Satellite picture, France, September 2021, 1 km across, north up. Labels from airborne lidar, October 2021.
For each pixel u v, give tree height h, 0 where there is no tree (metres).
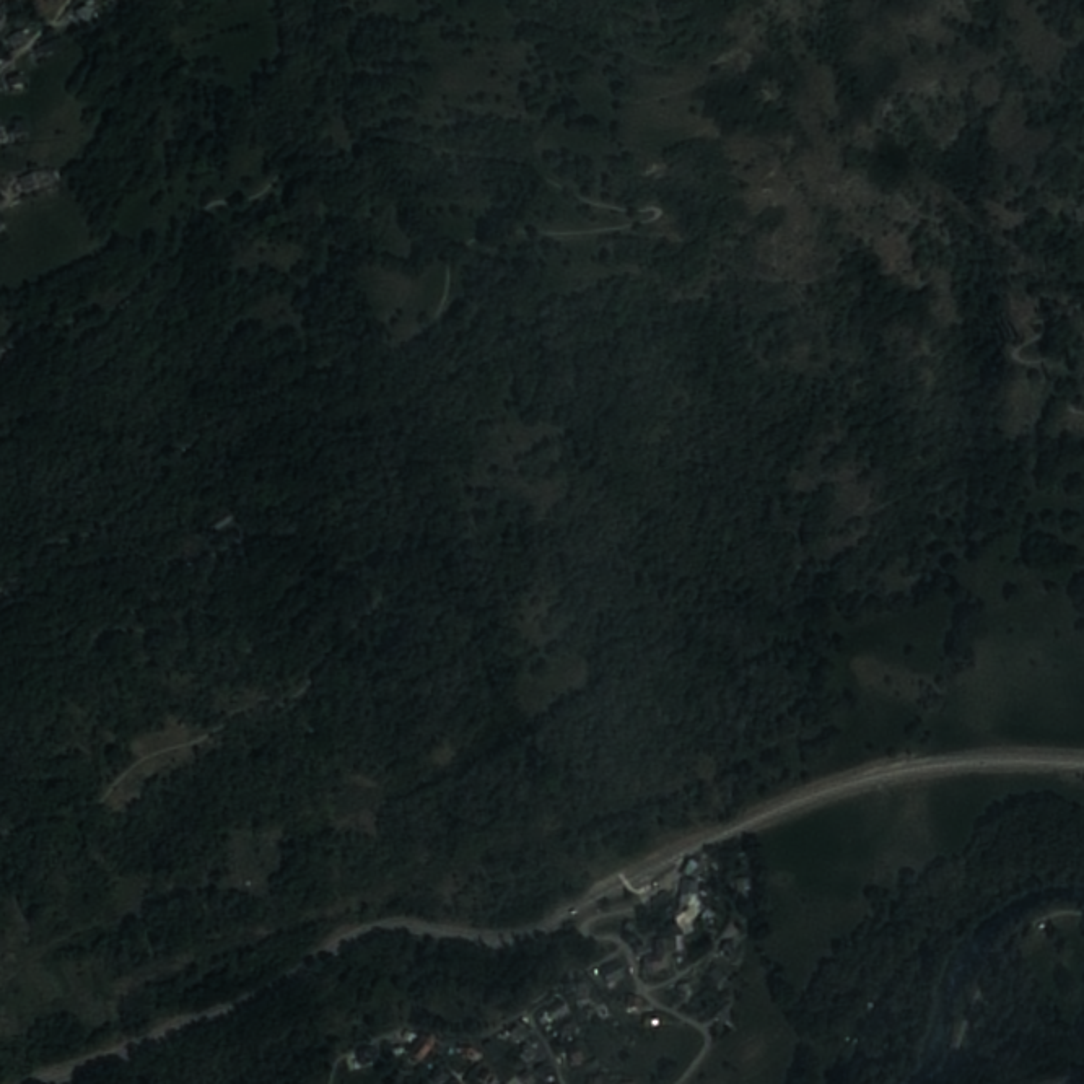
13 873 11
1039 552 24
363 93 21
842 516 0
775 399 14
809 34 10
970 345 11
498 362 24
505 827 15
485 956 19
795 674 23
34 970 0
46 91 0
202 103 11
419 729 19
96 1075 17
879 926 13
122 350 14
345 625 21
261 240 15
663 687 19
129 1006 6
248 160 0
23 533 19
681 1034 0
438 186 17
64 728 11
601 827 20
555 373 15
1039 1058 23
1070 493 12
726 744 19
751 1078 0
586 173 18
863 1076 22
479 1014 7
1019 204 9
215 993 21
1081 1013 0
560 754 18
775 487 12
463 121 14
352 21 18
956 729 0
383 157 18
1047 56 0
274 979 13
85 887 7
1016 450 8
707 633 19
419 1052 0
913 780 0
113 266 15
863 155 9
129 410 16
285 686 17
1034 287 12
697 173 9
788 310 6
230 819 19
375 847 11
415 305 0
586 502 15
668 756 17
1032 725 0
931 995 18
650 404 17
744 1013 0
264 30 0
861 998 23
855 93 7
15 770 18
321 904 15
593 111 0
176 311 28
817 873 0
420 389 17
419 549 18
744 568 15
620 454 16
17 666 15
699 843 0
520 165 15
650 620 20
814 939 0
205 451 22
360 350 23
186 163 16
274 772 18
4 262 0
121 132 22
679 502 16
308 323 20
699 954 12
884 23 0
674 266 14
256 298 17
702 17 7
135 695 9
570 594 17
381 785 15
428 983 17
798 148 7
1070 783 0
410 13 0
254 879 0
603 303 14
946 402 19
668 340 20
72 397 15
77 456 21
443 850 19
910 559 16
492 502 15
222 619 16
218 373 20
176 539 18
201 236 20
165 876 17
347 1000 11
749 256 6
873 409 12
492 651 24
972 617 20
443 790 17
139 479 19
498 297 26
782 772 14
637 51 11
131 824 16
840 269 6
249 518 19
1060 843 25
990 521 17
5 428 13
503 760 23
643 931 6
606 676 21
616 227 0
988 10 12
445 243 19
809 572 17
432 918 8
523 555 11
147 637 7
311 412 25
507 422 7
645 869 0
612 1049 0
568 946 17
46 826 18
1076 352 8
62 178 8
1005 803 0
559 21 17
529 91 14
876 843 0
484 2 0
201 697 9
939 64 0
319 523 23
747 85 6
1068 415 0
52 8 0
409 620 19
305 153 20
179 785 13
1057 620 0
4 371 12
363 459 28
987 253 14
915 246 11
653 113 0
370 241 16
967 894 18
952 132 0
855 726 0
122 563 19
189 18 16
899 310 12
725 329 10
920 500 16
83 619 18
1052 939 15
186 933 19
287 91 19
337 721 13
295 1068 21
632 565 15
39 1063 11
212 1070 20
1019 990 28
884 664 0
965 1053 0
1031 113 11
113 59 21
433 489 26
